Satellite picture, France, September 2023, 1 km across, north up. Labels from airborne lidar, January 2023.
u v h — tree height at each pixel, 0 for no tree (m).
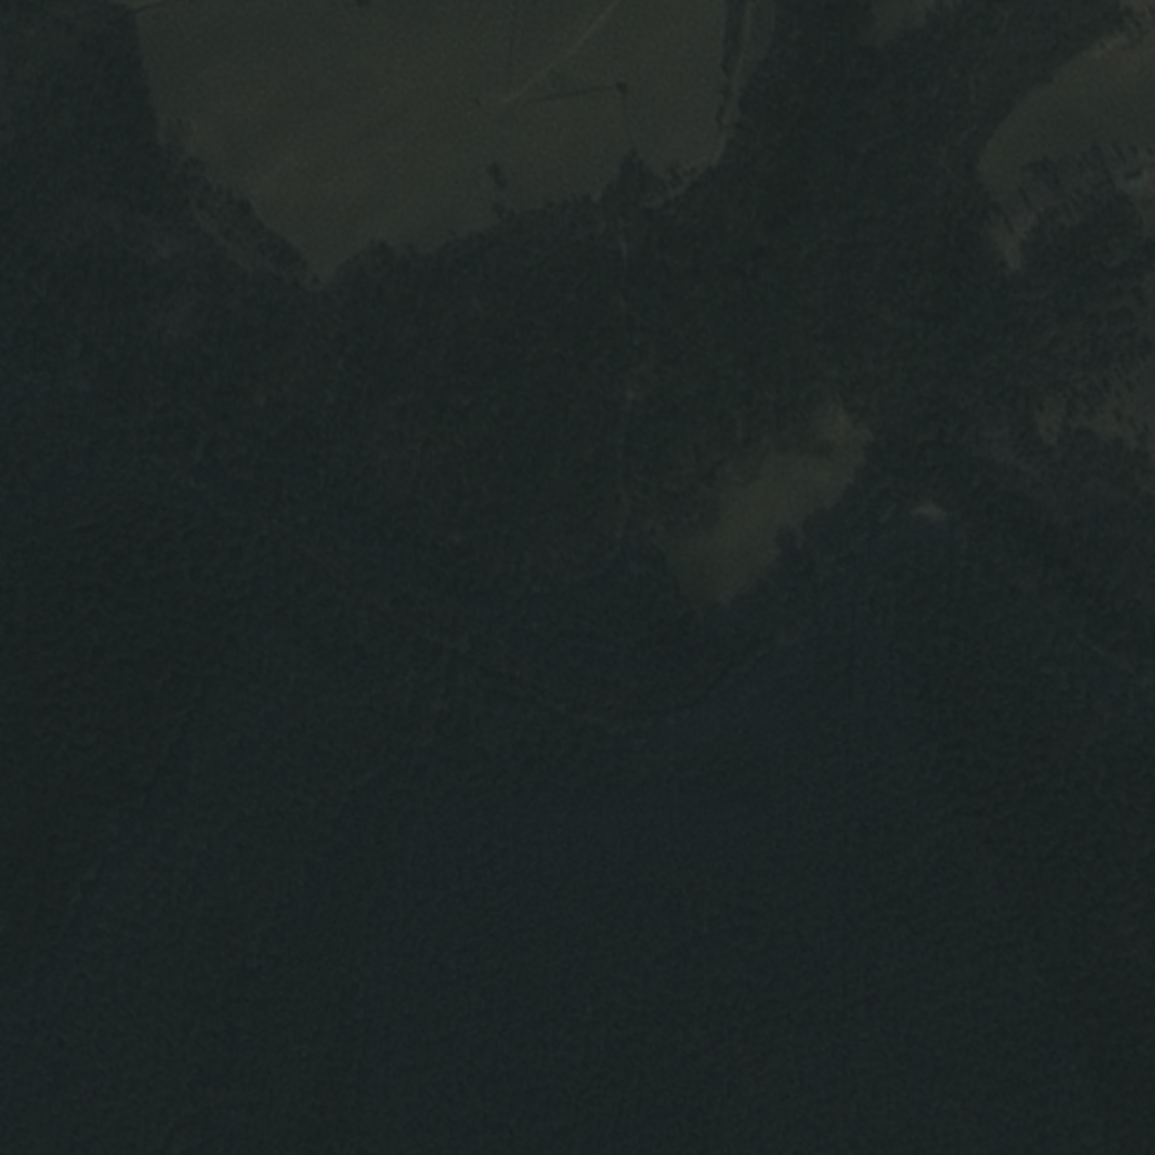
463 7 0
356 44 0
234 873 27
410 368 9
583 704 17
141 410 16
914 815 20
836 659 17
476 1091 26
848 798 29
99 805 25
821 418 0
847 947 30
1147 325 0
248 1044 18
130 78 13
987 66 7
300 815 29
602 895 29
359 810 22
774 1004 19
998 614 25
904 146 12
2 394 14
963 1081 23
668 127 0
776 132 9
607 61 0
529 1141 25
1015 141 0
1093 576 16
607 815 32
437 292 9
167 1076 29
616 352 17
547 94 0
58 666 15
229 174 0
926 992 28
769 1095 28
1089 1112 24
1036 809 21
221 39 0
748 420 18
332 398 19
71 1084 28
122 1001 25
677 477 17
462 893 32
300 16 0
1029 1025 22
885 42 0
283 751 24
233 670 21
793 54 11
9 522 17
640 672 29
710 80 0
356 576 17
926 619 22
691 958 24
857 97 21
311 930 22
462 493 15
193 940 29
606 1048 23
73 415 14
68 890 20
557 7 0
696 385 19
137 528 18
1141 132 0
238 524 17
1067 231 9
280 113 0
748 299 12
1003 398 11
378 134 0
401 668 19
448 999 30
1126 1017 24
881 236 15
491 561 16
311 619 21
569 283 10
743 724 15
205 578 25
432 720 10
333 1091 18
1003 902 25
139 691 17
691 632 16
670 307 18
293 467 26
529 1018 30
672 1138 27
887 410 13
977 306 19
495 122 0
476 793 24
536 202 0
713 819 29
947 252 18
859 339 14
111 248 12
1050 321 17
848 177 22
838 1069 20
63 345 20
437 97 0
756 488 0
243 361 22
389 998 27
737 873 25
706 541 0
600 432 18
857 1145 18
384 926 24
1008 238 0
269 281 14
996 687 23
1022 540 17
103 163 12
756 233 7
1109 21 8
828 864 28
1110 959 22
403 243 0
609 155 0
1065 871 20
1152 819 18
